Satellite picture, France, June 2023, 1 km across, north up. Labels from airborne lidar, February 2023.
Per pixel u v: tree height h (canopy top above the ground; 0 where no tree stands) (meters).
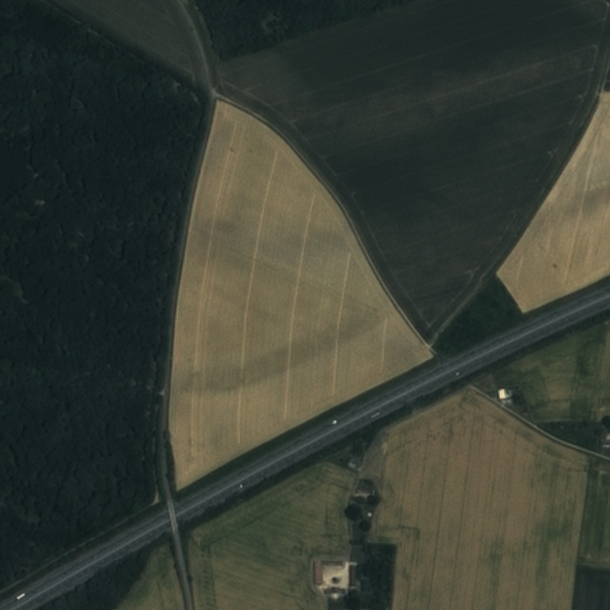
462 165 0
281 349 0
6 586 14
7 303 30
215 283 0
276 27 17
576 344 0
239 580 0
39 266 25
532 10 0
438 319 0
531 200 0
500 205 0
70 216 28
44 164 23
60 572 0
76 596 14
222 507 6
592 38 0
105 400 23
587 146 0
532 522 0
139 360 23
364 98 0
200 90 10
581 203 0
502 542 0
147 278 27
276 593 0
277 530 0
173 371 0
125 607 0
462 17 0
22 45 20
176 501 0
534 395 0
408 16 0
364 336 0
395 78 0
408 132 0
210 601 0
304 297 0
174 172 24
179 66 0
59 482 26
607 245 0
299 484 0
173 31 0
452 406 0
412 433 0
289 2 26
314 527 0
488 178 0
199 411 0
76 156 23
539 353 0
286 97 0
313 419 0
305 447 0
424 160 0
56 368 23
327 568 0
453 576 0
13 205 26
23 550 25
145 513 7
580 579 0
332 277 0
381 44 0
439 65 0
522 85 0
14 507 24
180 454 0
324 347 0
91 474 26
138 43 0
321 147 0
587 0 0
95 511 23
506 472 0
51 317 27
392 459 0
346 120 0
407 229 0
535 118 0
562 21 0
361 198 0
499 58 0
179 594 0
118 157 24
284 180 0
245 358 0
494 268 0
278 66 0
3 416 23
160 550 0
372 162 0
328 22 19
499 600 0
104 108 26
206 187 0
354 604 20
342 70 0
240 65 0
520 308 0
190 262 0
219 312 0
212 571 0
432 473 0
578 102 0
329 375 0
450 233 0
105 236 20
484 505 0
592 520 0
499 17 0
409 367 0
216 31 18
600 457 0
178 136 23
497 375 0
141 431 21
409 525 0
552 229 0
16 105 25
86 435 22
